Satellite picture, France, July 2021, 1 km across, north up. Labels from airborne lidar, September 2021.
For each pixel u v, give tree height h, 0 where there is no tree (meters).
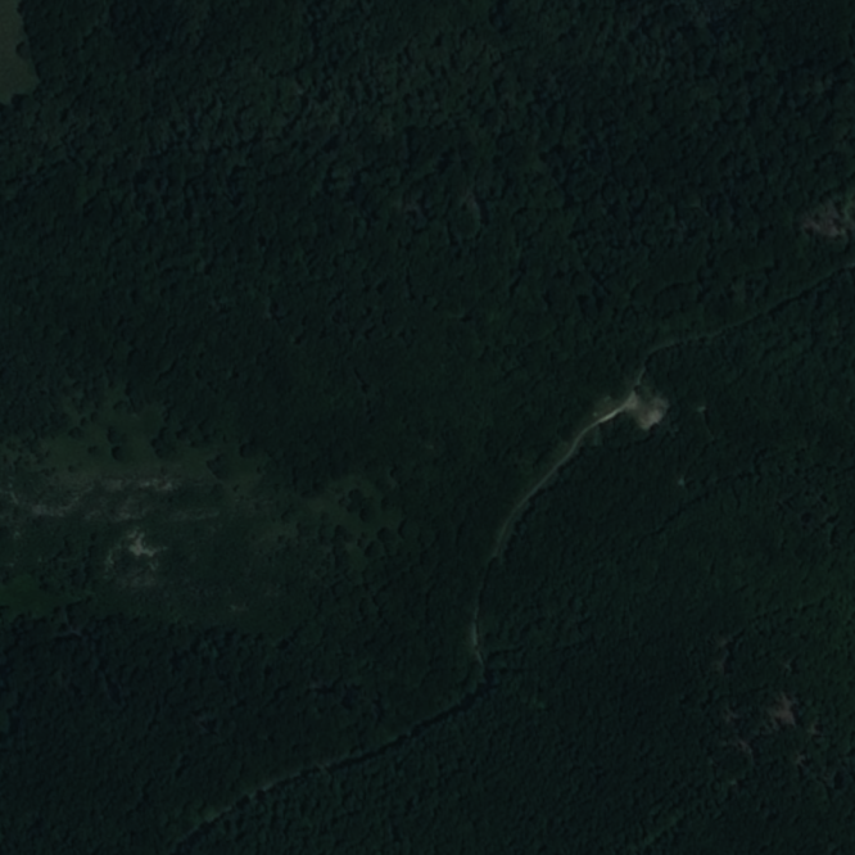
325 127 20
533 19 22
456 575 21
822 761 27
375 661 24
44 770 24
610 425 7
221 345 26
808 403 15
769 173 27
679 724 22
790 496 26
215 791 25
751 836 22
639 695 28
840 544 25
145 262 19
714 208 20
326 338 24
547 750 25
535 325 23
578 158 13
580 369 18
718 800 21
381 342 28
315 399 26
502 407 15
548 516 13
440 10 26
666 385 10
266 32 26
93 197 26
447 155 13
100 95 28
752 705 25
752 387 16
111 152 21
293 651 35
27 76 0
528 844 25
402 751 28
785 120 31
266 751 23
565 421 18
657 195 28
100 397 12
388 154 30
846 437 8
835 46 26
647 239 32
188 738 26
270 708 28
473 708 27
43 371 13
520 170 21
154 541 6
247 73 21
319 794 27
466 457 9
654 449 18
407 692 26
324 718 29
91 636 31
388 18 26
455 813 27
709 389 14
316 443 14
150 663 28
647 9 33
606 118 25
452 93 10
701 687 29
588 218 29
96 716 26
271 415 20
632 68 24
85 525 5
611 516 15
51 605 0
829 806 24
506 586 9
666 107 28
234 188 23
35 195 23
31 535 7
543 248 33
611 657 30
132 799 22
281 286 23
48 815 22
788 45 17
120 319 19
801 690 24
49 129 21
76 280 17
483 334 25
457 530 12
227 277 22
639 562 18
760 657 21
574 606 17
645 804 25
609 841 21
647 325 20
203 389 20
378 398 21
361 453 13
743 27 35
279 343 22
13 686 27
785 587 20
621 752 25
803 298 11
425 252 24
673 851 24
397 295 24
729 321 12
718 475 11
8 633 26
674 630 22
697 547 22
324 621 17
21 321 17
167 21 17
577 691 28
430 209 24
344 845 27
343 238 29
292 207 32
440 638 15
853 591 21
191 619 7
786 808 27
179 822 17
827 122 10
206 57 23
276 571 6
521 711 32
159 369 21
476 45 27
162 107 23
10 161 23
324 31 25
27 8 21
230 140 18
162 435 12
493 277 34
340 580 17
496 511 18
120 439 13
